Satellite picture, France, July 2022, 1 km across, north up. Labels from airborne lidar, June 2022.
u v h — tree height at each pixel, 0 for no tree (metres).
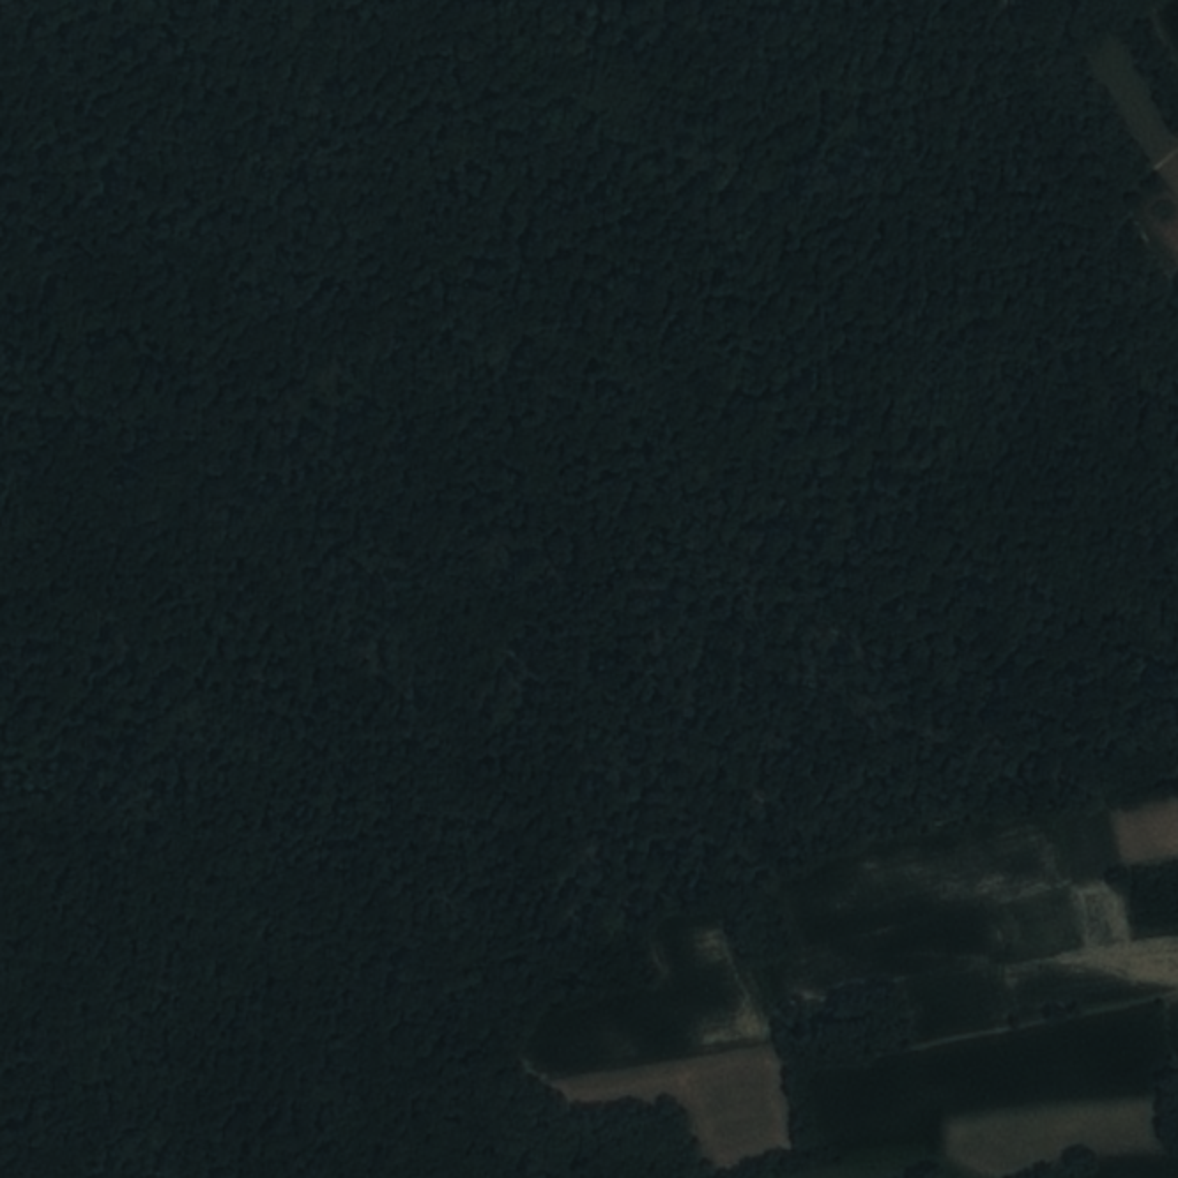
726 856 24
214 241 28
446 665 22
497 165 29
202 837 19
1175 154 0
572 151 25
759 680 24
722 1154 0
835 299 27
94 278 25
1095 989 0
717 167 27
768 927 21
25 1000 26
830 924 0
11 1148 26
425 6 28
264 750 21
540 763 18
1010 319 27
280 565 21
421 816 25
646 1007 0
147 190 32
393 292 23
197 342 22
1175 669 30
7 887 23
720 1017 0
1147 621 26
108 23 25
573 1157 10
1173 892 7
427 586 18
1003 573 31
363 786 21
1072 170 22
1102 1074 0
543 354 17
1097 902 0
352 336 22
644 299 29
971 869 0
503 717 19
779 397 31
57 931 23
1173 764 22
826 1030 22
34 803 23
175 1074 28
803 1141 17
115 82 26
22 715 30
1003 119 19
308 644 16
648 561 23
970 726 27
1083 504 23
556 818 24
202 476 24
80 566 27
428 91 25
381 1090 23
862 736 22
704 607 23
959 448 22
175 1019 23
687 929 0
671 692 22
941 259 21
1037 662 30
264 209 27
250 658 26
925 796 24
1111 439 26
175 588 22
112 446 26
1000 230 20
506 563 18
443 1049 24
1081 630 37
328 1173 25
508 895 18
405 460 20
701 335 25
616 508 24
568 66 15
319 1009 21
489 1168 21
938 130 23
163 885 21
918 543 27
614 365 27
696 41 24
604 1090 0
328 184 27
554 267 26
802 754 21
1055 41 20
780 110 27
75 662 26
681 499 23
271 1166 30
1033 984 0
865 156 18
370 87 24
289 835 22
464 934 20
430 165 24
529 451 26
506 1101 23
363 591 15
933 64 22
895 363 20
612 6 27
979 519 26
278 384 18
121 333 30
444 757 21
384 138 23
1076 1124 0
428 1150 21
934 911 0
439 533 24
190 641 25
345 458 15
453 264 26
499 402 22
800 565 28
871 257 23
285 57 22
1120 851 0
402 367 22
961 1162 0
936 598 29
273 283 21
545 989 27
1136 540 23
